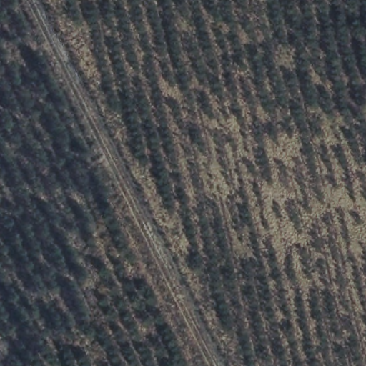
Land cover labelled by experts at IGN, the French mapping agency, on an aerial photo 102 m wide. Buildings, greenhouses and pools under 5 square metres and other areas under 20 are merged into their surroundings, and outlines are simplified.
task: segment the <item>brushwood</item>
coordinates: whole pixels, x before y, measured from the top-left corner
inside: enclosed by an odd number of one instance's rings
[[[302,67],[300,53],[305,51],[309,44],[309,34],[302,34],[302,37],[296,37],[295,43],[292,44],[292,47],[295,47],[293,60],[295,66]]]
[[[243,64],[237,50],[233,50],[233,54],[222,54],[224,87],[227,90],[230,89],[233,70],[244,70],[247,67],[250,69],[250,63]]]
[[[189,162],[187,169],[193,187],[200,189],[203,180],[200,179],[199,163]]]
[[[347,84],[347,109],[352,117],[350,123],[345,124],[343,127],[350,132],[347,144],[352,150],[355,162],[366,163],[366,81],[365,81],[355,86],[350,74],[347,74]]]
[[[159,152],[160,159],[164,169],[169,170],[170,180],[173,180],[176,189],[184,190],[176,156],[170,157],[170,153],[162,150]]]
[[[13,27],[9,33],[11,39],[23,37],[24,33],[14,11],[9,14],[9,23],[9,26]]]
[[[316,74],[320,77],[320,83],[315,87],[317,106],[323,109],[326,104],[325,86],[329,80],[325,69],[315,67]]]
[[[247,152],[247,134],[253,134],[253,137],[264,134],[264,123],[256,114],[250,113],[252,123],[249,123],[246,129],[240,127],[244,152]]]
[[[187,106],[179,107],[180,113],[187,112],[190,116],[196,117],[193,103],[197,102],[199,90],[184,86],[182,94]]]
[[[249,199],[244,192],[242,170],[234,167],[239,180],[239,190],[229,194],[226,199],[233,229],[237,232],[246,226],[247,217],[244,213],[249,212]]]
[[[287,124],[295,120],[289,109],[279,107],[276,107],[276,112],[269,114],[269,122],[272,123],[273,129],[277,134],[283,133],[287,129]]]
[[[279,0],[232,0],[236,23],[242,19],[243,14],[247,16],[253,13],[256,14],[256,27],[262,26],[260,16],[267,14],[270,24],[262,30],[263,39],[266,40],[279,31],[274,17],[283,14]]]
[[[259,206],[260,222],[264,229],[269,229],[269,223],[264,217],[262,192],[256,182],[252,182],[253,193]]]
[[[219,220],[213,219],[213,209],[216,206],[214,200],[207,197],[206,200],[200,200],[196,207],[192,207],[193,212],[199,216],[203,214],[206,222],[210,222],[212,229],[209,233],[219,233],[220,230]]]
[[[363,270],[357,266],[352,267],[357,296],[360,303],[366,307],[366,267]]]
[[[229,167],[229,157],[224,152],[224,144],[229,143],[233,152],[237,150],[236,140],[230,134],[224,134],[222,130],[210,127],[209,134],[216,143],[220,172],[224,182],[230,186],[233,184],[232,169]]]
[[[283,347],[289,345],[286,333],[292,327],[290,322],[283,320],[277,322],[274,316],[270,303],[269,283],[264,279],[262,262],[257,260],[240,259],[239,270],[239,277],[234,279],[233,289],[223,295],[224,302],[229,305],[227,313],[233,317],[239,313],[240,319],[247,319],[249,307],[253,307],[256,315],[259,310],[263,310],[270,325],[267,333],[270,342],[277,337]]]
[[[303,273],[309,279],[313,273],[319,273],[323,290],[330,290],[332,293],[333,307],[337,309],[346,299],[346,263],[355,262],[356,259],[350,252],[350,244],[346,244],[346,254],[342,253],[340,247],[336,247],[337,233],[333,230],[335,226],[332,214],[325,213],[322,216],[323,222],[326,223],[327,236],[322,236],[322,229],[317,224],[312,224],[310,229],[315,230],[317,236],[323,237],[325,244],[329,246],[332,259],[335,260],[336,277],[332,277],[327,260],[313,259],[312,254],[306,252],[300,254]]]

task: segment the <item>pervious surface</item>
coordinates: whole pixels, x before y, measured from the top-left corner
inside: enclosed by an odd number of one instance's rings
[[[37,33],[43,39],[43,49],[47,51],[51,66],[56,69],[56,83],[63,83],[64,89],[69,91],[71,102],[94,142],[94,153],[100,154],[100,163],[109,172],[117,189],[117,193],[126,203],[134,226],[149,247],[153,263],[159,269],[160,279],[177,303],[179,315],[186,325],[187,335],[193,345],[200,350],[202,359],[197,362],[204,362],[206,366],[217,366],[216,357],[204,339],[202,330],[197,326],[189,302],[183,295],[184,287],[174,276],[166,259],[160,259],[154,250],[144,230],[147,220],[144,219],[132,187],[120,170],[116,157],[107,146],[109,137],[99,132],[94,126],[94,117],[91,119],[90,114],[86,112],[86,102],[81,91],[83,87],[74,79],[71,67],[63,56],[63,50],[54,41],[47,21],[44,20],[43,11],[40,10],[40,4],[36,0],[29,0],[26,3],[26,10],[36,24]]]

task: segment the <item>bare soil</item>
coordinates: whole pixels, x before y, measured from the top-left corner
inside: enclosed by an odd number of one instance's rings
[[[357,71],[365,81],[366,81],[366,36],[350,41]]]
[[[322,332],[327,339],[327,355],[330,362],[335,359],[333,356],[339,355],[342,343],[355,347],[355,340],[350,339],[347,330],[343,330],[339,336],[330,332],[330,319],[322,317]]]
[[[269,259],[263,257],[262,262],[264,279],[269,283],[270,303],[274,316],[277,322],[283,320],[276,285],[270,274]]]
[[[325,21],[320,11],[320,3],[323,0],[296,0],[302,34],[309,34],[309,20],[317,21],[317,43],[322,50],[319,56],[325,57],[329,47]]]
[[[30,199],[43,216],[51,237],[63,253],[64,262],[69,269],[64,276],[61,274],[60,264],[44,240],[39,224],[17,187],[9,163],[0,147],[0,236],[16,267],[14,272],[6,270],[10,282],[16,283],[21,292],[26,287],[30,292],[36,292],[34,277],[53,267],[57,285],[60,287],[60,295],[54,300],[64,315],[69,315],[79,307],[69,285],[71,280],[74,280],[74,274],[79,273],[79,269],[73,262],[69,247],[57,232],[50,213],[47,212],[47,207],[53,204],[66,230],[74,223],[79,227],[79,234],[83,240],[79,256],[89,267],[93,283],[93,287],[83,290],[84,299],[89,305],[90,319],[102,326],[104,332],[109,335],[110,345],[120,352],[120,363],[130,363],[127,349],[134,349],[134,352],[150,349],[153,363],[157,362],[160,366],[169,366],[173,363],[173,350],[169,340],[164,336],[164,330],[169,326],[164,316],[160,315],[160,310],[154,306],[149,305],[143,310],[133,307],[132,297],[146,283],[136,262],[130,266],[124,254],[117,252],[119,242],[116,236],[122,233],[120,230],[106,230],[104,210],[109,206],[104,199],[102,187],[94,176],[93,167],[83,156],[83,150],[74,136],[73,129],[70,126],[66,127],[73,150],[73,156],[67,156],[63,152],[60,134],[54,129],[49,112],[40,103],[40,83],[46,89],[46,99],[53,107],[59,104],[59,99],[54,94],[39,60],[34,56],[36,41],[30,41],[29,44],[19,43],[16,46],[11,43],[11,39],[9,33],[13,27],[9,26],[9,23],[3,24],[0,19],[0,53],[1,50],[10,50],[9,59],[1,61],[4,79],[16,96],[21,113],[27,117],[31,133],[40,140],[43,139],[41,133],[47,132],[53,144],[53,149],[46,153],[49,166],[40,166],[37,154],[21,129],[20,120],[14,116],[13,106],[0,83],[0,133],[13,150],[17,167],[27,186],[34,186],[34,182],[40,177],[44,192],[30,194]],[[83,193],[83,183],[74,167],[76,163],[84,167],[89,177],[93,197],[87,206],[97,227],[97,232],[93,234],[87,227],[79,204],[71,197],[64,203],[57,200],[57,196],[63,193],[61,190],[67,189],[63,177],[63,173],[66,172],[69,172],[77,193]],[[21,244],[23,244],[24,250],[26,250],[30,262],[33,263],[33,270],[29,270],[29,272],[27,272],[26,267],[24,267],[23,259],[21,259],[19,252],[17,252],[16,244],[14,244],[13,242],[13,236],[16,233],[19,234]],[[134,326],[146,336],[139,342],[134,339],[120,342],[119,329],[120,332],[124,332]]]
[[[71,326],[69,335],[60,333],[41,297],[36,299],[36,305],[39,307],[41,319],[33,322],[33,325],[39,326],[44,332],[50,329],[51,336],[46,337],[46,349],[39,352],[39,347],[31,342],[26,323],[14,309],[9,292],[0,279],[0,366],[112,366],[113,360],[107,359],[103,346],[91,342],[89,336],[77,329],[77,325]]]
[[[213,209],[213,219],[219,220],[220,230],[224,233],[224,242],[230,252],[233,273],[239,270],[240,259],[257,260],[250,244],[249,227],[246,226],[237,232],[233,229],[226,199],[229,194],[239,190],[239,180],[234,167],[242,170],[244,192],[249,199],[249,212],[254,230],[259,233],[259,249],[267,252],[264,240],[266,237],[272,239],[277,267],[286,292],[286,305],[290,310],[290,322],[292,327],[286,333],[289,345],[293,366],[309,366],[303,352],[302,330],[297,323],[295,297],[302,297],[310,342],[317,346],[319,339],[316,333],[316,320],[310,313],[309,289],[317,286],[317,310],[320,315],[325,315],[326,312],[323,290],[319,273],[313,273],[309,279],[303,273],[300,254],[306,252],[312,254],[313,259],[327,260],[332,277],[336,277],[335,260],[332,259],[329,246],[325,244],[323,237],[317,236],[315,230],[310,229],[312,224],[317,224],[322,229],[322,236],[327,236],[326,223],[323,222],[322,216],[325,213],[332,214],[335,226],[333,230],[337,233],[336,247],[340,247],[342,253],[346,254],[346,244],[350,244],[350,252],[356,259],[355,262],[346,263],[346,299],[337,309],[340,315],[347,315],[352,320],[357,345],[363,349],[366,347],[366,307],[360,303],[357,296],[352,267],[357,266],[363,270],[366,267],[366,163],[355,162],[352,150],[347,144],[350,132],[343,127],[345,124],[345,120],[340,116],[342,103],[336,81],[342,80],[347,84],[347,74],[350,74],[345,49],[340,39],[337,16],[349,16],[350,0],[325,0],[329,7],[337,53],[342,63],[342,71],[335,76],[332,60],[325,57],[325,69],[329,80],[325,86],[326,104],[323,109],[317,106],[310,106],[309,113],[322,120],[323,133],[319,136],[316,136],[313,130],[307,133],[297,132],[300,122],[297,117],[296,99],[289,100],[289,109],[295,120],[287,124],[287,129],[283,133],[277,134],[273,129],[272,123],[269,122],[269,114],[260,106],[256,107],[256,114],[264,123],[264,134],[253,137],[253,134],[247,134],[247,152],[244,152],[240,127],[246,129],[249,123],[252,123],[250,113],[249,106],[244,100],[252,94],[260,103],[259,94],[262,91],[262,81],[259,81],[257,76],[254,60],[256,51],[263,56],[267,77],[263,80],[264,89],[269,99],[274,100],[276,107],[279,107],[279,90],[277,87],[270,87],[270,83],[274,81],[272,61],[276,66],[280,66],[283,80],[296,77],[305,99],[309,94],[306,74],[302,67],[295,66],[293,60],[295,47],[292,47],[292,44],[295,43],[296,37],[293,19],[290,16],[290,0],[279,0],[283,14],[289,44],[286,47],[277,47],[270,54],[266,40],[263,39],[262,30],[270,24],[267,14],[260,16],[262,26],[256,27],[256,14],[253,13],[247,16],[243,14],[242,19],[236,23],[232,0],[200,0],[206,7],[200,11],[202,17],[193,17],[192,24],[187,24],[180,14],[174,21],[174,29],[186,31],[182,37],[184,51],[177,57],[170,37],[170,19],[167,17],[164,4],[167,0],[156,0],[167,46],[167,54],[162,54],[159,39],[156,34],[153,36],[152,30],[154,20],[150,3],[153,0],[140,0],[139,9],[142,11],[146,41],[140,39],[134,27],[134,23],[137,23],[136,9],[130,9],[127,0],[36,0],[40,4],[40,10],[43,11],[44,20],[47,21],[54,41],[63,50],[63,56],[71,67],[74,79],[83,87],[81,91],[86,102],[86,112],[90,114],[91,119],[94,117],[94,126],[99,132],[109,137],[107,146],[116,157],[120,170],[132,187],[144,219],[147,220],[144,230],[154,250],[160,259],[166,259],[174,276],[184,287],[183,295],[189,302],[197,326],[202,330],[204,339],[216,357],[217,366],[244,366],[242,350],[237,347],[239,342],[234,327],[226,333],[222,327],[224,313],[220,309],[219,296],[214,287],[212,263],[204,253],[199,216],[193,212],[192,207],[196,207],[200,200],[206,200],[207,197],[214,200],[216,206]],[[133,70],[129,63],[132,57],[127,46],[126,30],[123,27],[122,9],[129,10],[132,21],[132,24],[129,24],[132,33],[130,40],[137,63],[142,66],[139,70]],[[99,19],[104,24],[107,23],[106,13],[113,13],[117,19],[116,36],[110,37],[110,30],[106,31],[109,56],[103,60],[106,61],[109,76],[116,73],[116,87],[112,90],[116,91],[119,97],[120,113],[109,109],[109,106],[112,106],[109,86],[107,81],[100,83],[100,73],[96,67],[96,61],[100,60],[99,41],[94,30],[89,29],[87,24],[87,20],[90,20],[90,10],[99,10]],[[200,49],[206,50],[206,31],[216,63],[214,69],[206,66],[209,86],[203,86],[197,81],[196,56],[192,49],[193,41],[197,41]],[[132,89],[124,90],[123,74],[117,64],[114,46],[123,49],[120,60],[123,69],[126,70],[126,76],[133,77]],[[227,90],[224,87],[222,54],[233,54],[233,50],[237,50],[243,64],[250,63],[250,69],[247,67],[244,70],[233,70],[230,89]],[[164,80],[160,63],[166,64],[167,69],[173,71],[174,67],[179,66],[177,59],[183,61],[184,73],[176,73],[177,86],[169,86]],[[137,116],[136,122],[142,127],[142,142],[146,140],[144,154],[149,156],[147,159],[150,164],[140,166],[139,160],[132,156],[137,150],[136,137],[130,124],[126,96],[133,97],[137,114],[142,114],[143,91],[146,102],[152,102],[153,126],[157,126],[159,137],[166,136],[156,87],[150,90],[154,73],[162,90],[163,96],[160,100],[166,113],[167,127],[172,136],[176,156],[184,190],[189,197],[187,203],[197,243],[197,250],[190,249],[187,242],[190,233],[187,230],[187,216],[184,210],[180,210],[179,200],[174,200],[172,214],[163,209],[160,194],[164,193],[164,190],[160,183],[159,166],[154,156],[152,136],[146,120],[142,122],[140,116]],[[184,86],[199,90],[197,102],[193,103],[196,117],[190,116],[187,112],[180,113],[183,122],[189,123],[189,136],[184,136],[180,132],[172,114],[172,107],[177,104],[179,107],[187,106],[182,94]],[[229,143],[224,144],[224,152],[229,157],[229,167],[232,169],[233,184],[230,186],[224,182],[220,172],[216,143],[209,134],[210,127],[222,130],[224,134],[230,134],[236,140],[237,150],[233,152]],[[323,200],[320,202],[317,202],[315,192],[309,187],[310,179],[313,177],[313,166],[310,163],[307,144],[312,144],[313,152],[319,153],[313,160],[316,173],[319,174],[319,189],[323,193]],[[260,169],[260,156],[264,153],[269,160],[272,184],[267,184],[263,177],[252,176],[247,170],[250,164]],[[187,169],[189,162],[199,163],[200,179],[203,180],[200,189],[193,187]],[[259,206],[253,193],[252,182],[256,182],[262,192],[264,217],[269,223],[269,229],[264,229],[260,222]]]

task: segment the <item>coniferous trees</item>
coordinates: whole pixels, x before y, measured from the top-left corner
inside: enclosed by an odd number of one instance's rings
[[[290,0],[290,16],[293,19],[296,37],[302,37],[302,34],[296,0]]]
[[[172,107],[172,114],[180,132],[184,136],[189,136],[189,123],[183,122],[180,113],[179,107],[177,104]]]
[[[309,44],[305,51],[300,53],[302,67],[306,74],[309,94],[305,99],[296,77],[283,80],[280,66],[276,66],[272,61],[274,81],[270,83],[270,87],[277,87],[279,90],[279,107],[289,109],[289,100],[296,99],[297,117],[300,122],[297,132],[307,133],[313,130],[316,136],[319,136],[323,133],[322,120],[309,113],[310,106],[317,106],[315,87],[320,83],[320,77],[316,74],[315,67],[325,69],[325,57],[319,56],[322,50],[317,43],[317,21],[309,20],[309,34]]]
[[[116,73],[109,76],[106,61],[103,60],[109,56],[106,31],[110,30],[110,37],[116,36],[117,19],[113,13],[106,13],[107,23],[104,24],[99,19],[99,10],[90,10],[90,20],[87,20],[87,24],[89,29],[94,30],[99,41],[100,60],[96,61],[96,67],[100,73],[100,83],[107,81],[109,86],[112,106],[109,106],[109,109],[120,113],[119,97],[116,91],[112,90],[116,87]]]
[[[132,24],[132,21],[129,10],[122,9],[123,27],[126,30],[127,46],[132,57],[129,63],[133,70],[139,70],[142,66],[137,63],[130,40],[132,33],[129,24]]]
[[[83,183],[83,193],[77,193],[69,172],[66,172],[63,173],[63,177],[67,189],[61,190],[63,193],[57,196],[57,200],[64,203],[71,197],[79,204],[87,227],[93,234],[97,232],[97,227],[87,206],[93,197],[89,177],[84,167],[76,163],[74,167]]]
[[[177,57],[184,51],[182,37],[186,31],[174,29],[174,21],[180,14],[187,24],[192,24],[193,17],[202,17],[200,11],[206,7],[200,0],[167,0],[164,4],[167,17],[170,19],[170,37]]]
[[[257,260],[262,262],[263,257],[269,259],[270,274],[276,285],[283,320],[290,322],[290,310],[286,305],[286,292],[277,267],[272,239],[266,237],[264,240],[267,252],[259,249],[259,233],[254,230],[249,212],[244,213],[247,217],[246,226],[249,227],[250,244]]]
[[[117,64],[123,74],[124,90],[132,89],[133,77],[126,76],[126,70],[123,69],[120,60],[123,49],[114,46]]]
[[[130,9],[136,9],[137,23],[134,23],[134,27],[140,39],[146,41],[142,11],[139,9],[140,0],[127,0]]]
[[[329,47],[325,57],[332,60],[335,76],[342,71],[342,63],[337,53],[329,7],[325,0],[323,0],[320,3],[320,11],[325,21]]]
[[[274,17],[279,31],[266,40],[270,54],[277,47],[286,47],[289,44],[283,14]]]
[[[247,356],[252,366],[254,366],[260,357],[257,357],[254,349],[253,330],[252,327],[243,327]]]
[[[196,56],[197,81],[203,86],[209,86],[206,66],[214,69],[216,63],[206,31],[206,50],[200,49],[197,41],[193,41],[192,49]]]
[[[154,20],[152,30],[153,36],[156,34],[159,39],[162,54],[167,54],[167,46],[156,0],[153,0],[150,3]]]
[[[234,279],[239,277],[239,270],[233,273],[230,252],[224,242],[224,233],[220,230],[219,233],[209,233],[212,229],[210,222],[206,222],[203,214],[199,216],[204,253],[212,263],[214,287],[219,296],[220,309],[224,313],[222,327],[226,333],[234,327],[233,317],[227,313],[229,305],[224,302],[223,295],[233,289]]]
[[[29,44],[30,41],[36,41],[34,56],[39,60],[54,94],[59,99],[59,104],[53,107],[46,99],[46,89],[40,83],[40,103],[49,112],[54,129],[60,134],[63,152],[67,156],[73,156],[73,150],[66,127],[70,126],[73,129],[74,136],[83,150],[83,156],[93,167],[94,176],[102,187],[104,199],[117,189],[109,172],[100,163],[100,154],[94,153],[94,142],[71,102],[69,91],[64,89],[63,83],[56,83],[56,69],[51,66],[47,51],[43,49],[43,39],[37,33],[36,24],[26,10],[26,3],[29,0],[0,0],[0,19],[3,24],[9,23],[9,14],[14,11],[24,33],[23,37],[11,39],[11,43],[16,46],[19,43]]]
[[[149,156],[144,154],[146,140],[142,142],[142,127],[136,122],[137,116],[140,116],[142,122],[146,120],[152,136],[154,156],[159,166],[160,183],[164,190],[164,193],[160,194],[163,209],[172,214],[174,200],[179,200],[180,210],[184,210],[187,216],[187,230],[190,233],[187,242],[190,249],[197,250],[197,243],[187,203],[189,197],[184,190],[176,189],[173,180],[170,180],[169,170],[164,169],[160,159],[159,152],[162,150],[170,153],[170,157],[176,156],[172,136],[167,127],[166,113],[160,100],[163,96],[162,90],[154,73],[150,90],[156,87],[166,136],[159,137],[157,126],[153,126],[152,102],[146,102],[143,91],[142,114],[137,114],[133,97],[126,96],[130,124],[136,137],[137,150],[132,156],[139,160],[140,166],[150,164],[147,159]]]
[[[273,356],[279,357],[280,366],[293,366],[289,345],[283,347],[277,337],[270,342],[267,333],[262,330],[262,322],[257,320],[262,346],[269,343],[272,345]]]
[[[269,160],[264,153],[260,156],[260,169],[250,164],[247,170],[252,176],[263,177],[267,184],[272,184]]]
[[[149,305],[154,306],[157,302],[156,296],[152,287],[146,283],[132,297],[133,307],[143,310]]]
[[[17,252],[19,252],[21,259],[23,259],[24,267],[26,267],[27,272],[29,272],[29,270],[33,270],[33,263],[30,262],[26,250],[24,250],[23,244],[21,244],[19,234],[16,233],[13,236],[13,242],[14,244],[16,244]]]
[[[269,114],[276,112],[276,107],[274,100],[269,99],[264,89],[263,80],[267,77],[263,56],[256,51],[254,60],[257,76],[259,81],[262,81],[262,91],[259,94],[260,103],[252,94],[244,100],[249,106],[250,113],[256,114],[256,107],[260,106]]]
[[[104,210],[106,230],[120,230],[116,213],[109,206]]]
[[[317,310],[317,286],[309,289],[310,313],[316,320],[316,333],[319,339],[317,346],[310,342],[302,297],[295,297],[297,323],[302,330],[303,352],[309,366],[346,366],[346,355],[353,362],[360,360],[359,355],[355,355],[355,347],[342,343],[339,355],[333,356],[335,359],[330,362],[327,355],[327,339],[322,332],[322,317],[330,319],[333,307],[332,293],[330,290],[323,290],[326,312],[325,315],[320,315]]]
[[[340,116],[345,120],[345,124],[350,123],[352,117],[347,109],[347,84],[342,80],[336,81],[342,103]]]
[[[124,254],[130,266],[136,262],[136,256],[122,233],[116,236],[119,242],[117,252]]]
[[[169,366],[187,366],[182,350],[177,346],[176,337],[169,326],[164,330],[164,336],[169,340],[173,350],[173,363]]]
[[[33,322],[41,319],[39,307],[36,305],[36,299],[41,297],[60,333],[69,335],[71,326],[77,325],[77,329],[89,336],[91,342],[103,346],[107,359],[113,360],[112,366],[160,366],[157,362],[153,363],[150,349],[134,352],[134,349],[127,349],[130,363],[120,363],[120,352],[110,345],[109,335],[104,332],[102,326],[90,319],[89,305],[84,299],[83,290],[93,287],[93,283],[89,267],[79,256],[83,240],[79,234],[79,227],[74,223],[66,230],[53,204],[47,207],[47,212],[50,213],[57,232],[69,247],[73,262],[79,269],[79,273],[74,274],[74,280],[71,280],[69,285],[79,307],[69,315],[64,315],[54,300],[60,295],[60,287],[57,285],[53,267],[34,277],[36,292],[30,292],[26,287],[21,292],[16,283],[10,282],[6,270],[14,272],[16,267],[0,236],[0,279],[9,292],[14,309],[26,323],[31,342],[39,347],[39,352],[46,349],[46,337],[51,336],[50,329],[44,332],[39,326],[33,325]]]
[[[40,166],[49,166],[46,153],[53,149],[53,144],[47,132],[41,133],[43,139],[40,140],[31,133],[27,117],[21,113],[16,96],[4,79],[1,61],[9,59],[10,50],[1,50],[0,53],[0,83],[13,106],[14,116],[20,120],[21,129],[37,154]]]
[[[27,186],[17,167],[13,150],[0,133],[0,147],[9,163],[17,187],[39,224],[44,240],[60,264],[61,274],[64,276],[69,269],[64,262],[63,253],[51,237],[43,216],[30,199],[30,194],[44,192],[40,177],[34,182],[34,186]]]
[[[313,177],[310,179],[309,187],[315,192],[317,202],[320,202],[323,200],[323,193],[319,189],[319,174],[316,173],[313,160],[319,153],[313,152],[312,144],[307,144],[310,163],[313,166]]]
[[[350,74],[355,86],[365,81],[357,71],[350,41],[366,36],[366,0],[350,0],[349,16],[337,16],[340,39],[345,49]]]
[[[169,86],[177,86],[176,73],[184,73],[183,61],[177,59],[179,66],[174,67],[173,71],[167,69],[166,64],[160,63],[164,80]]]
[[[139,342],[146,336],[134,326],[124,332],[120,332],[119,329],[120,342],[134,339]]]

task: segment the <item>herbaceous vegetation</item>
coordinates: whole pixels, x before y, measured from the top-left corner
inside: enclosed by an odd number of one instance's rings
[[[126,203],[117,193],[117,189],[104,199],[109,206],[116,213],[120,230],[122,233],[136,256],[136,262],[146,283],[152,287],[156,296],[157,302],[154,306],[160,310],[160,315],[164,316],[169,326],[176,337],[177,346],[182,350],[187,366],[206,366],[204,362],[197,362],[202,359],[200,350],[193,345],[187,335],[186,325],[179,315],[177,303],[160,279],[159,269],[153,263],[149,247],[134,226]]]
[[[337,309],[333,307],[330,319],[330,332],[339,336],[343,330],[347,330],[350,339],[355,340],[355,347],[355,355],[359,355],[360,360],[353,362],[346,355],[346,366],[366,366],[366,347],[363,349],[357,345],[352,320],[347,315],[340,315]]]
[[[239,342],[237,347],[242,350],[244,366],[252,366],[247,356],[243,327],[252,327],[253,330],[254,349],[257,357],[260,357],[254,366],[280,366],[279,357],[273,356],[272,345],[269,343],[262,346],[257,320],[262,322],[262,330],[267,333],[270,325],[263,310],[259,310],[256,315],[253,307],[249,307],[247,319],[240,319],[239,313],[233,317],[234,327]]]

